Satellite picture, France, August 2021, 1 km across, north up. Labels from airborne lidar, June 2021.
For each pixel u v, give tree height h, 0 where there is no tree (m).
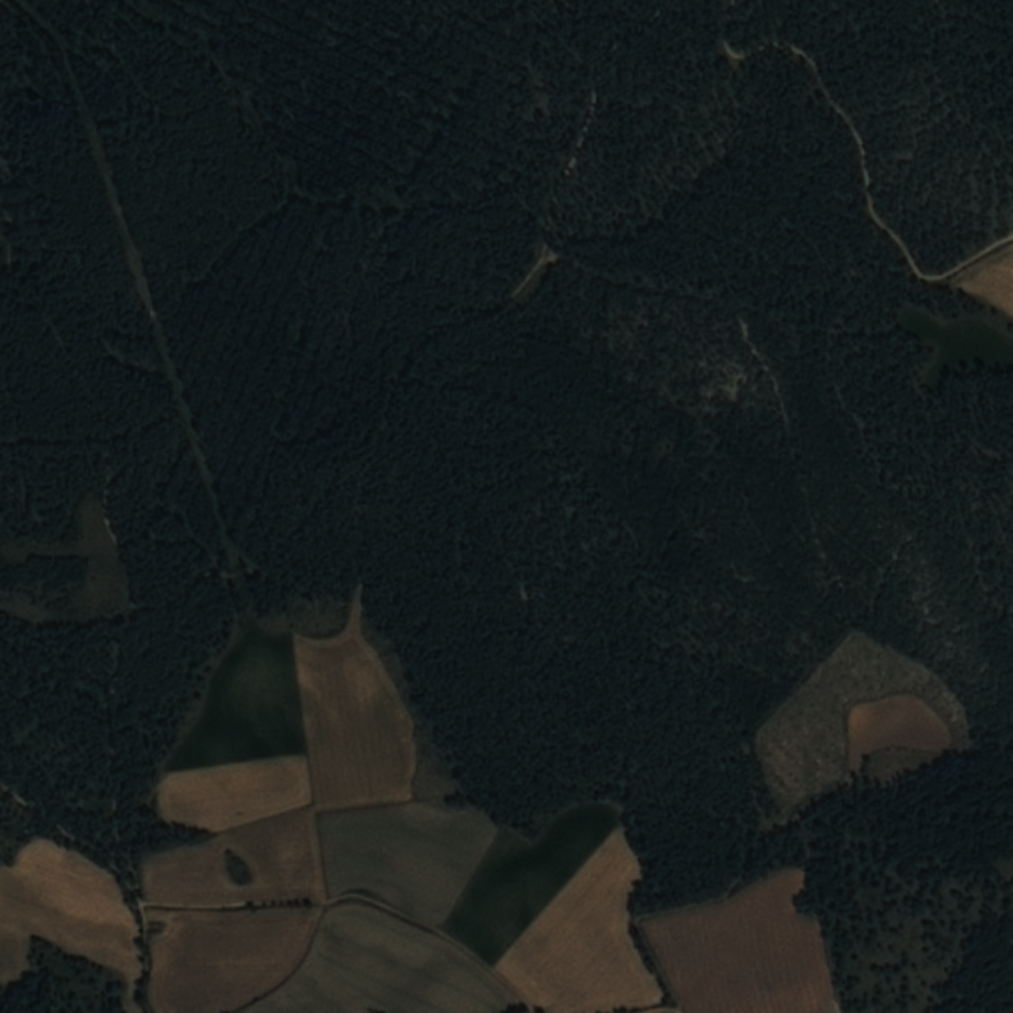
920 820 11
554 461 13
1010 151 11
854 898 8
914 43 11
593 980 0
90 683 16
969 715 7
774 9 13
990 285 0
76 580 7
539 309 7
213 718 0
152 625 15
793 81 15
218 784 0
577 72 11
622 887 0
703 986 0
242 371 17
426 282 16
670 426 8
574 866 0
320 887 0
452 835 0
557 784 16
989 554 13
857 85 11
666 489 6
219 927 0
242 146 19
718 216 14
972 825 12
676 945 0
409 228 15
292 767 0
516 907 0
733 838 16
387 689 0
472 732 14
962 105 11
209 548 18
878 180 9
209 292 16
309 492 16
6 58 20
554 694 15
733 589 6
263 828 0
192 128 15
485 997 0
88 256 17
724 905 0
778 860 9
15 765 12
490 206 14
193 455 16
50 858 0
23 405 19
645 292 7
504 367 7
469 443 10
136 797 12
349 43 18
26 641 16
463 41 20
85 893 0
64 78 21
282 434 15
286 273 18
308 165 17
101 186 15
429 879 0
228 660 0
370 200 16
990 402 14
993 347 0
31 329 18
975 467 13
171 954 0
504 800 18
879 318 14
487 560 16
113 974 0
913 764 0
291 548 18
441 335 17
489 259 16
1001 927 9
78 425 17
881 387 11
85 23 21
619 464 8
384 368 18
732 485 5
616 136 11
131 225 17
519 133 16
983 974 11
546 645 16
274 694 0
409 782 0
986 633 7
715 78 11
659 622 13
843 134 14
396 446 17
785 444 7
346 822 0
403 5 21
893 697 0
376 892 0
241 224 17
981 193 7
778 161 20
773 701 7
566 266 8
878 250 14
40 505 11
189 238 17
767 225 10
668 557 10
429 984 0
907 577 6
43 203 16
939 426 12
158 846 16
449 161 19
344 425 20
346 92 18
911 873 8
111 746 11
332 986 0
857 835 9
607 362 9
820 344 10
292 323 19
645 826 16
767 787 11
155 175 16
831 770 0
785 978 0
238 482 17
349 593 15
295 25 16
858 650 0
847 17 11
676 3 10
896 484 10
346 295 16
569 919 0
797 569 6
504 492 12
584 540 11
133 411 15
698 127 13
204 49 18
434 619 14
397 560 14
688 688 13
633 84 11
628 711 16
